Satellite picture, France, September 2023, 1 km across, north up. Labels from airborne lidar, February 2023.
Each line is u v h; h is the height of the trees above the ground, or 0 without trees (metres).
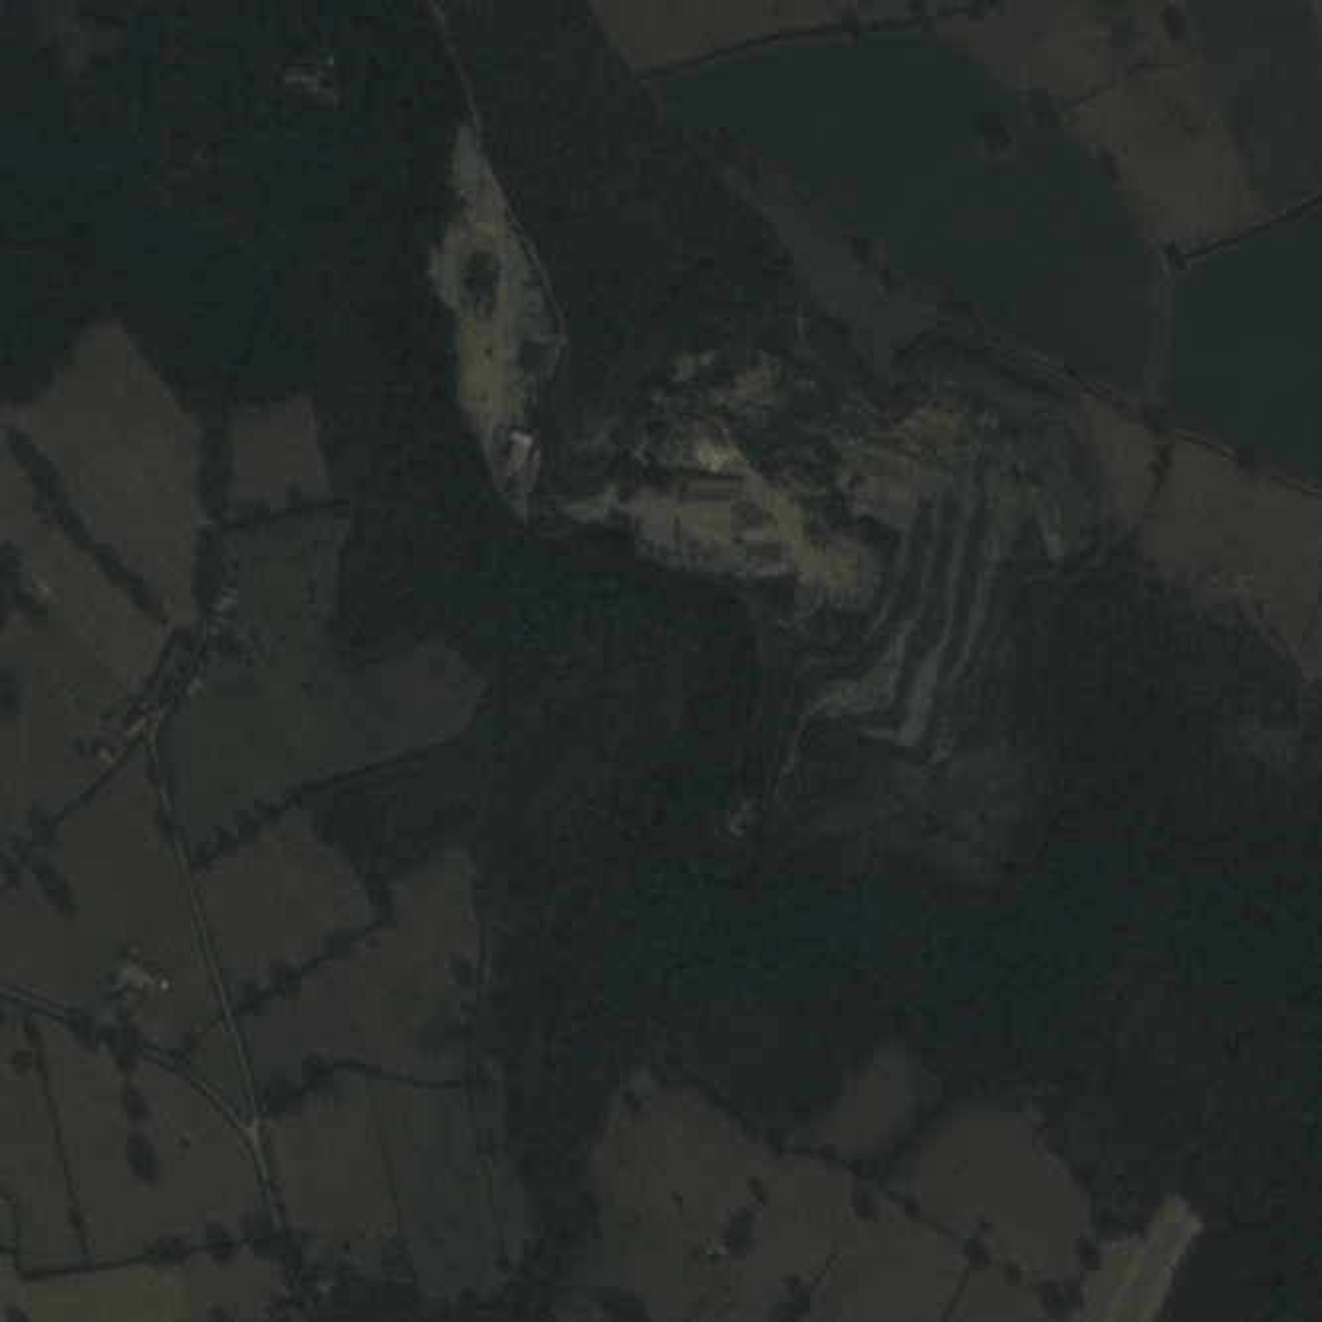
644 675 15
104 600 0
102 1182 0
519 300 0
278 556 0
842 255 0
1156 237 0
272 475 0
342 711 0
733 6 0
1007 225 0
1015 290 0
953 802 0
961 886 8
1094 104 0
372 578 12
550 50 15
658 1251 0
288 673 0
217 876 0
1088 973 19
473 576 7
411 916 0
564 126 16
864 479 0
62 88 6
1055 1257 0
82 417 0
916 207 0
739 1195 0
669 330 12
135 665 0
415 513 15
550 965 7
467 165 0
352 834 11
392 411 18
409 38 22
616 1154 0
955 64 0
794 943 25
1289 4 0
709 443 0
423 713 0
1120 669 21
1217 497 0
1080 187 0
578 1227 19
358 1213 0
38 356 21
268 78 10
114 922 0
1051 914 20
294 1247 12
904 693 0
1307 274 0
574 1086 24
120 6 0
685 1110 0
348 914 0
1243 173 0
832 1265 0
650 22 0
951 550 0
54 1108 0
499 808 7
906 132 0
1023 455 0
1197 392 0
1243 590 0
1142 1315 0
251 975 0
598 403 12
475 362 0
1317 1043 19
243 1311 0
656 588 17
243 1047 0
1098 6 0
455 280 0
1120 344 0
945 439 0
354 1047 0
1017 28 0
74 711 0
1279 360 0
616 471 13
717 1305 0
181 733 0
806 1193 0
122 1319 0
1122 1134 12
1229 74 0
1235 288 0
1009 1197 0
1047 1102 10
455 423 15
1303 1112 20
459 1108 0
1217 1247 16
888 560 8
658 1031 15
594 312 15
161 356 18
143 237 20
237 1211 0
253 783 0
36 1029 11
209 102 12
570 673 16
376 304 16
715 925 22
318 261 10
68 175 23
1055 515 0
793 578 0
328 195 18
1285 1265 24
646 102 10
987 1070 16
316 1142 0
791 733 6
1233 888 25
